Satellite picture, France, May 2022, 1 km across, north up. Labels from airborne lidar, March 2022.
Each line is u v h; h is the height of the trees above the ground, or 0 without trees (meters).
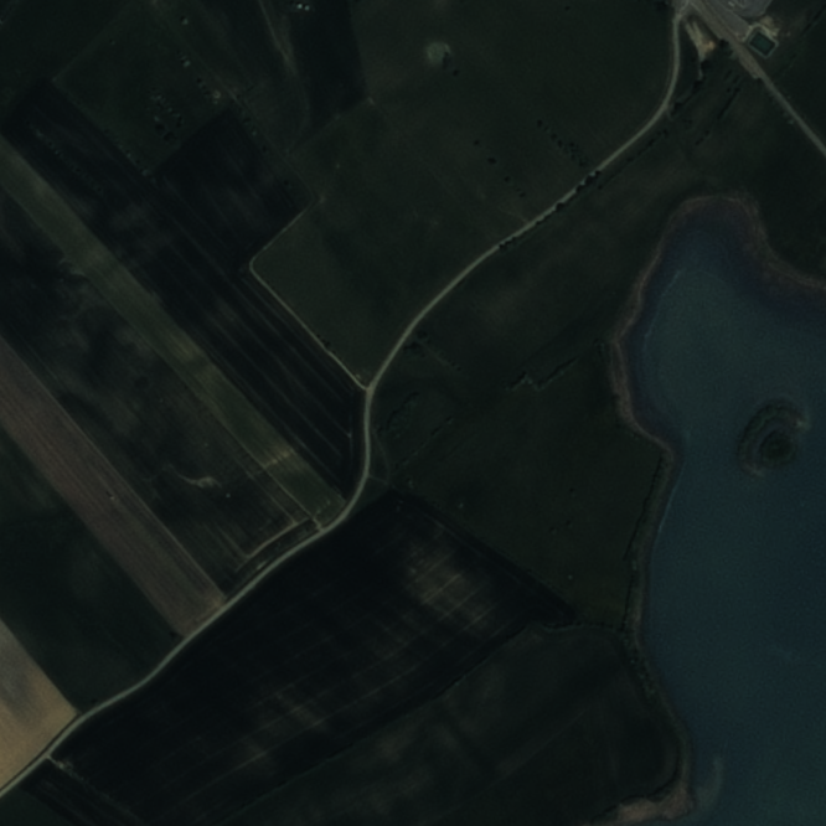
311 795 0
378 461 0
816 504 0
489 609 0
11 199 0
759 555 0
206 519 0
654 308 0
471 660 0
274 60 0
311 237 0
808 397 0
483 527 0
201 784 0
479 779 0
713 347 0
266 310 0
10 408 0
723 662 0
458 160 0
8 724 0
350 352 0
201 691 0
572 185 0
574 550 0
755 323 0
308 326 0
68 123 0
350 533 0
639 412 0
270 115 0
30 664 0
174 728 0
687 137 0
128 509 0
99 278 0
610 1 0
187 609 0
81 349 0
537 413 0
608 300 0
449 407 0
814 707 0
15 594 0
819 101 0
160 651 0
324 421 0
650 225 0
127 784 0
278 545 0
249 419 0
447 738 0
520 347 0
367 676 0
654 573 0
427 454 0
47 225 0
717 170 0
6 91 0
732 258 0
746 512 0
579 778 0
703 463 0
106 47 0
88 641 0
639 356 0
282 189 0
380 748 0
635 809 0
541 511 0
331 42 0
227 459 0
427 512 0
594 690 0
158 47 0
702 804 0
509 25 0
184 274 0
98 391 0
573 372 0
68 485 0
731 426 0
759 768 0
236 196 0
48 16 0
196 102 0
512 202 0
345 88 0
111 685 0
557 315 0
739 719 0
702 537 0
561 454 0
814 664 0
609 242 0
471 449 0
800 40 0
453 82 0
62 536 0
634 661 6
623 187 0
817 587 0
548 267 0
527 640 0
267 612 0
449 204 0
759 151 0
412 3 0
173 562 0
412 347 8
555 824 0
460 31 0
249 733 0
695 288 0
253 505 0
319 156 0
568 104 0
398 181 0
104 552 0
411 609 0
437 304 0
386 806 0
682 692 0
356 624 0
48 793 0
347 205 0
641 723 0
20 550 0
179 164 0
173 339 0
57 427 0
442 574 0
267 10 0
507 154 0
